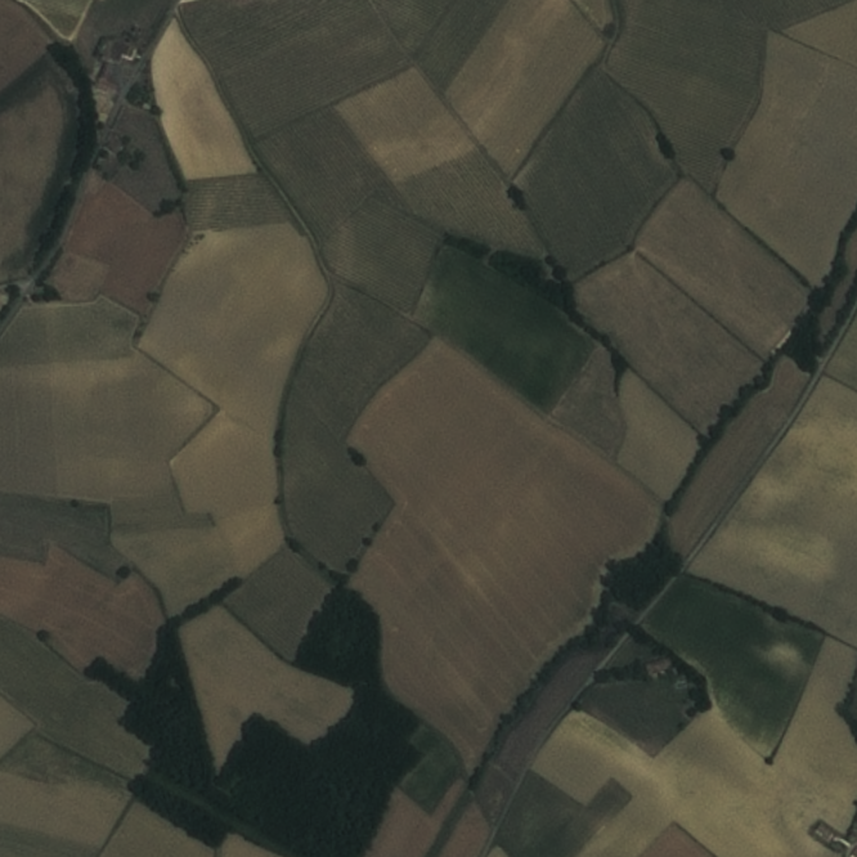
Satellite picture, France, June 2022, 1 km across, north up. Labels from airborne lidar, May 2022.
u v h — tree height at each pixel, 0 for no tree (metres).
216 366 0
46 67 0
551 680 13
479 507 0
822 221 0
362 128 0
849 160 0
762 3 0
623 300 0
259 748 15
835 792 0
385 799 18
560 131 0
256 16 0
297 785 16
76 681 0
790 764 0
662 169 0
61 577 0
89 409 0
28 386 0
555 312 0
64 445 0
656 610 0
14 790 0
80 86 13
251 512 0
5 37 0
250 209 0
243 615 0
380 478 0
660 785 0
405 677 0
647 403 0
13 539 0
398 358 0
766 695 0
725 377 0
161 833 0
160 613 0
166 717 21
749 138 0
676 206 0
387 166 0
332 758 19
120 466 0
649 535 0
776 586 0
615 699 0
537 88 0
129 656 0
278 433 8
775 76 0
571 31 0
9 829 0
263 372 0
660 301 0
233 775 13
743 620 0
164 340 0
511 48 0
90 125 14
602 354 0
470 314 0
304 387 0
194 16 0
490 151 0
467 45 0
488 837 0
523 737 0
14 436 0
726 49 0
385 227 0
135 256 0
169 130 0
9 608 0
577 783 0
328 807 21
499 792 0
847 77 0
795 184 0
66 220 12
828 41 0
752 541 0
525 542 0
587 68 0
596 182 0
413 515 0
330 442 0
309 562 0
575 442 0
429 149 0
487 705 0
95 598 0
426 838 0
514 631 0
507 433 0
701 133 0
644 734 0
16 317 0
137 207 0
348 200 0
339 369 0
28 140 0
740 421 0
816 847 0
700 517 0
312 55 0
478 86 0
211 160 0
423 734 0
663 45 0
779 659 0
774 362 8
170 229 0
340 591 15
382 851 0
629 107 0
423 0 0
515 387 0
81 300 0
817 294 16
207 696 0
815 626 11
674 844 0
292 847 16
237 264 0
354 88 0
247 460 0
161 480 0
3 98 0
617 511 0
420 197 0
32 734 0
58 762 0
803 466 0
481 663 0
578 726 0
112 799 0
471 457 0
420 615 0
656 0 0
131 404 0
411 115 0
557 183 0
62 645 0
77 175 16
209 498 0
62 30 0
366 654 11
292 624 0
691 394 0
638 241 0
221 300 0
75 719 0
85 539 0
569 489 0
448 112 0
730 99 0
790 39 0
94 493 0
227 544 0
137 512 0
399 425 0
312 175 0
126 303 0
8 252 0
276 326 0
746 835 0
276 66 0
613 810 0
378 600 0
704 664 0
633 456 0
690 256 0
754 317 0
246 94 0
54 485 0
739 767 0
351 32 0
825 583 0
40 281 6
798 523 0
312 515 0
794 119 0
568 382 0
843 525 0
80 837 0
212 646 0
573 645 12
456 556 0
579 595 0
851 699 9
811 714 0
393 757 15
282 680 0
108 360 0
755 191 0
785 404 0
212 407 0
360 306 0
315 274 0
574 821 0
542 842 0
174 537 0
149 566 0
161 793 15
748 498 0
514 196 12
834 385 0
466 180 0
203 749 20
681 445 0
